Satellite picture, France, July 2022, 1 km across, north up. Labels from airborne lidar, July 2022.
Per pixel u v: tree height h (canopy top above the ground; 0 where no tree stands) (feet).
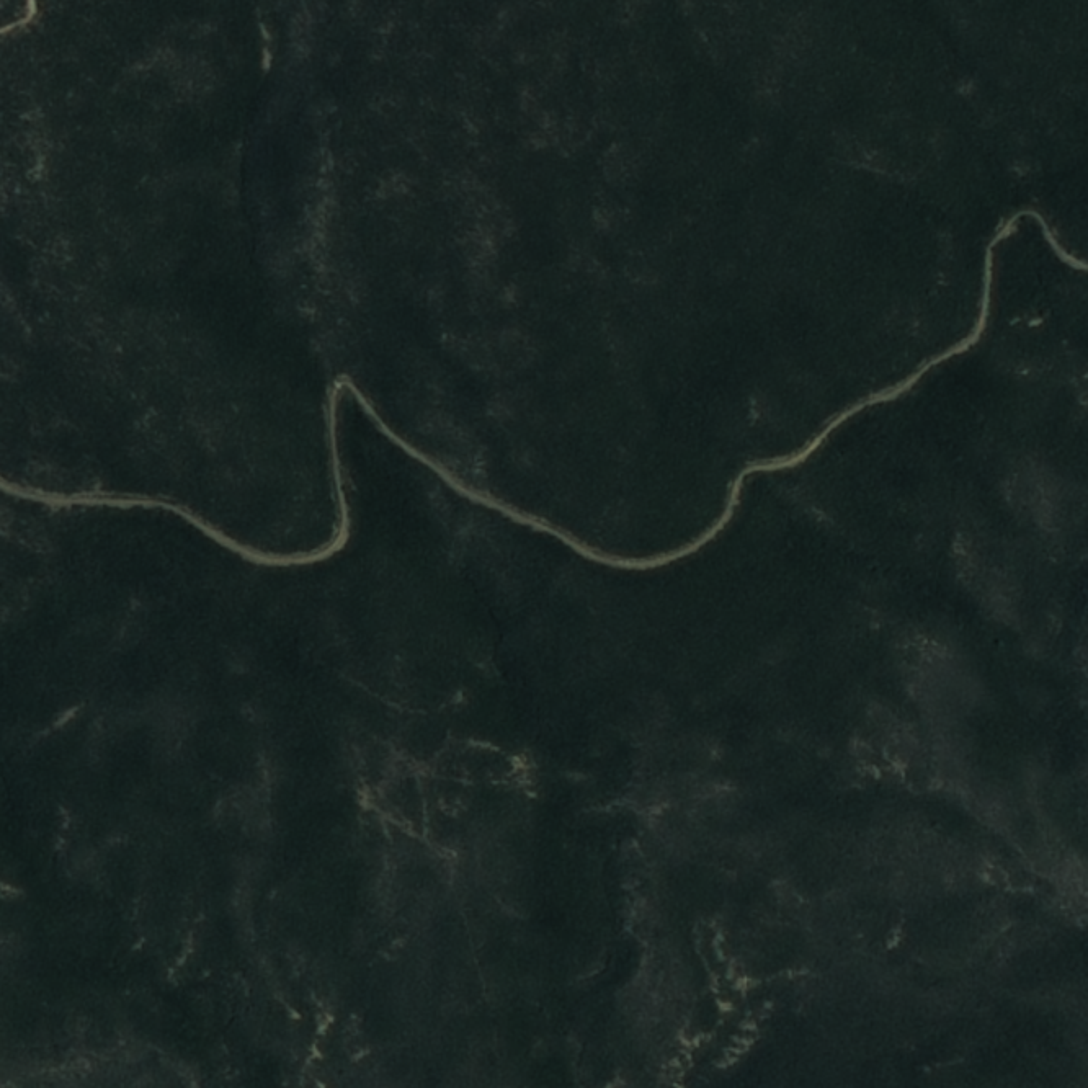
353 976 18
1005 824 0
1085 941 21
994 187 20
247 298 19
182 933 18
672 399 20
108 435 17
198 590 23
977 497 19
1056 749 18
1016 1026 20
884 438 27
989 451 18
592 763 25
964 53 21
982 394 17
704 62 20
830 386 18
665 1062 0
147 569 20
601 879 21
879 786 24
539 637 18
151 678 19
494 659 29
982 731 18
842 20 17
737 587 17
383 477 26
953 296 21
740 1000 19
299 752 18
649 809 0
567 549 21
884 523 18
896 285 18
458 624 20
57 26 18
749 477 31
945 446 29
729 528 18
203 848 22
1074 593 18
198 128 19
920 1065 18
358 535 21
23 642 21
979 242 29
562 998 19
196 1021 18
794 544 30
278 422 20
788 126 18
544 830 18
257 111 20
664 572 18
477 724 18
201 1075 17
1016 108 18
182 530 24
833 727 22
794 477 22
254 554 0
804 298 24
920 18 23
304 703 19
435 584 18
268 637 23
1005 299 22
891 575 32
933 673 0
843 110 17
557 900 18
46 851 22
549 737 25
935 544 19
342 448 24
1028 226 46
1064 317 23
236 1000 20
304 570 19
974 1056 19
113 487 19
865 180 24
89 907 21
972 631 21
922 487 17
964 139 27
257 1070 19
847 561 33
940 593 27
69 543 18
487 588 25
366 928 21
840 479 18
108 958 23
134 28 17
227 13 21
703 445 20
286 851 21
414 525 23
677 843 0
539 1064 18
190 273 18
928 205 31
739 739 20
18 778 19
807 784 22
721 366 22
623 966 19
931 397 22
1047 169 21
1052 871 0
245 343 19
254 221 22
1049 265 19
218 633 17
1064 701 24
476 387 24
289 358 20
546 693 21
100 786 18
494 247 0
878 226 21
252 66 18
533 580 21
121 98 17
